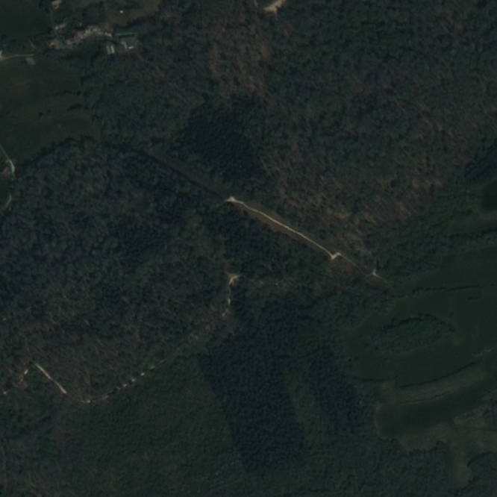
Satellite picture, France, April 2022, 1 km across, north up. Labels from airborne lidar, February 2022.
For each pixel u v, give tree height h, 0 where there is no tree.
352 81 27
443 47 26
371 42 17
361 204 25
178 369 22
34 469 32
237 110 13
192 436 21
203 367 33
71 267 27
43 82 0
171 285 25
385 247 32
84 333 27
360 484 28
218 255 29
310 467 20
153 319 26
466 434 0
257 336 30
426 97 26
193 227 21
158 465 19
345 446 21
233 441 23
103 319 22
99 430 18
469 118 26
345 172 25
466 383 0
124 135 22
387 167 27
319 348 13
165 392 17
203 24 12
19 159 0
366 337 0
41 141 0
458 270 0
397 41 24
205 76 33
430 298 0
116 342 29
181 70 30
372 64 28
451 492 12
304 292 20
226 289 25
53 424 28
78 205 27
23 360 28
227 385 35
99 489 16
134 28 21
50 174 26
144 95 29
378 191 23
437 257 32
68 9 0
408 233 29
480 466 15
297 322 30
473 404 0
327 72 27
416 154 27
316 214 25
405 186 28
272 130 9
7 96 0
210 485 20
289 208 23
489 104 25
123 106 27
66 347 26
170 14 24
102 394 6
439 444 12
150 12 0
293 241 19
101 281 20
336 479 24
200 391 20
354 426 18
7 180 0
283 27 34
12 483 32
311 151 0
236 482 15
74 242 31
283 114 17
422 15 27
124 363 28
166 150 19
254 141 6
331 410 25
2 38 8
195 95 31
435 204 24
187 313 26
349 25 20
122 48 0
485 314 0
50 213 32
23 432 14
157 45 29
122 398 16
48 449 22
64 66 17
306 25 26
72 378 25
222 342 29
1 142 0
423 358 0
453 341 0
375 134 25
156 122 26
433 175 28
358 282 17
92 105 14
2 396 24
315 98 31
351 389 31
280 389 34
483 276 0
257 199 20
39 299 23
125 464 17
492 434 0
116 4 9
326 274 28
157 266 21
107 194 8
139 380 31
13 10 0
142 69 26
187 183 22
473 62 25
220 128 10
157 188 13
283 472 17
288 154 16
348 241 28
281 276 30
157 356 28
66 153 25
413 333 25
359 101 16
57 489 30
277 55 23
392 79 28
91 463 19
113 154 31
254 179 25
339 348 19
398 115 24
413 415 0
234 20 14
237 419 28
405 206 34
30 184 26
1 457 34
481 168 33
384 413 0
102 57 19
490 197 0
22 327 29
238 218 27
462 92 23
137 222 18
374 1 30
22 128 0
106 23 0
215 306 27
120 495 14
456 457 0
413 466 23
